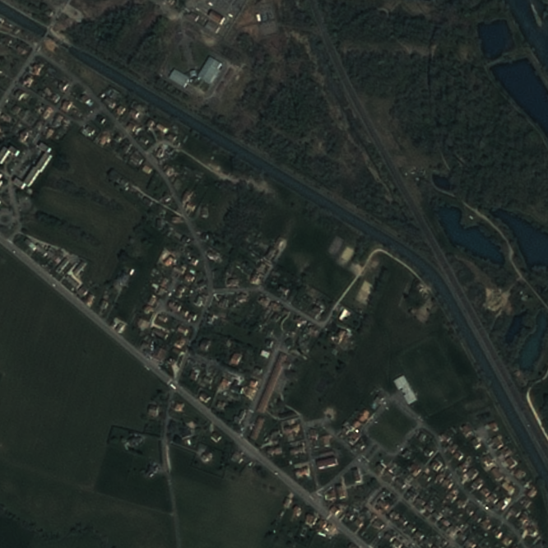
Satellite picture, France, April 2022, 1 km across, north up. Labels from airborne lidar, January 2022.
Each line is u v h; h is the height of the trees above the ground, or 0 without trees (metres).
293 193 0
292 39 0
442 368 0
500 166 22
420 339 0
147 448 0
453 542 0
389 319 0
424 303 0
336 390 0
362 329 8
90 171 0
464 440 0
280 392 0
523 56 0
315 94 18
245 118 0
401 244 0
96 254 0
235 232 8
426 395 0
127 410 0
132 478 0
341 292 0
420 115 20
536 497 0
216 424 0
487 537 0
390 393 0
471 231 0
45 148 0
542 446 0
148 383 0
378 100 0
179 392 0
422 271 0
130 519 0
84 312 0
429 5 0
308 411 0
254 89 12
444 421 0
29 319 0
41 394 0
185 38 0
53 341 0
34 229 0
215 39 0
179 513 0
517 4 0
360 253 16
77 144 0
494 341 14
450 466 0
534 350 0
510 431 0
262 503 0
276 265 9
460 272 9
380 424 0
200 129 0
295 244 0
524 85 0
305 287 7
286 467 0
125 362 0
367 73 17
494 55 0
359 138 0
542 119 0
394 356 0
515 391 0
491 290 0
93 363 0
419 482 0
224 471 10
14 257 0
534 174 15
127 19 18
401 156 0
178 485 0
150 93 0
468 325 0
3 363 0
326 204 0
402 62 16
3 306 0
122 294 0
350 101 0
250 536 0
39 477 0
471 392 0
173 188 0
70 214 0
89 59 0
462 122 22
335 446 0
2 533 0
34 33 0
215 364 0
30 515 0
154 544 0
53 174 0
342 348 0
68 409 0
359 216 0
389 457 0
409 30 18
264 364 0
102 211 0
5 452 0
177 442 13
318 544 0
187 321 0
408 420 0
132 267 0
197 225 0
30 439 0
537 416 0
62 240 0
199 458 0
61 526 0
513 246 9
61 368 0
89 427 0
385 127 0
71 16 0
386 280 19
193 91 0
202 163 0
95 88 0
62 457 0
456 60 19
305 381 0
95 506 0
